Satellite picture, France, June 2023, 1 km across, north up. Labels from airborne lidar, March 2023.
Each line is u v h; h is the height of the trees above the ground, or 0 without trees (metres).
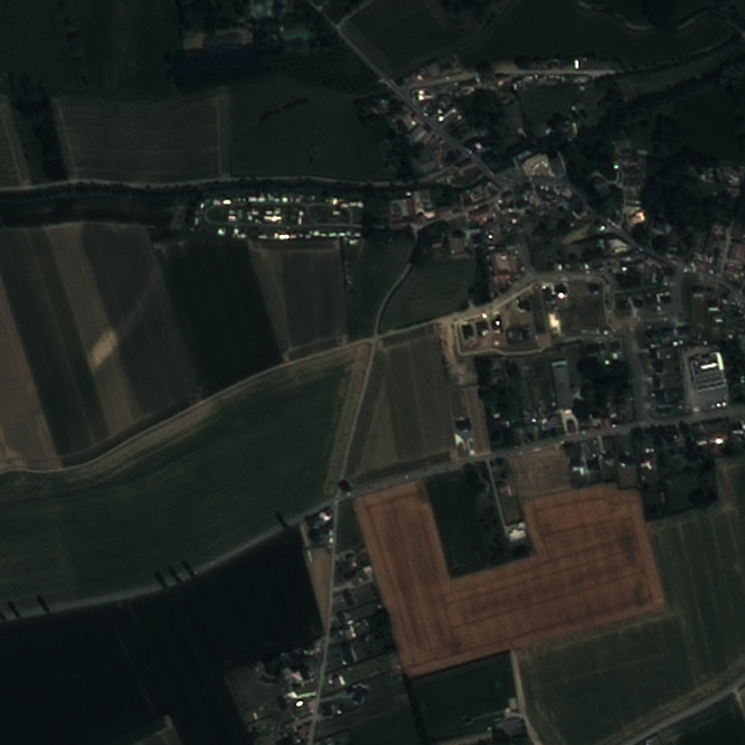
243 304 0
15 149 0
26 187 0
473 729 0
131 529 0
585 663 0
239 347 0
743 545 0
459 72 0
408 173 9
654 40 0
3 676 0
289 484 0
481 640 0
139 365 0
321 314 0
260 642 0
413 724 0
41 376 0
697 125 0
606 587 0
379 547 0
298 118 0
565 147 23
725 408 0
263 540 0
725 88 0
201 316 0
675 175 14
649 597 0
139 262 0
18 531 0
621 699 0
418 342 0
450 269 0
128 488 0
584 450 0
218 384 0
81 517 0
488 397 16
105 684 0
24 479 0
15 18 0
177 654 0
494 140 27
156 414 0
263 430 0
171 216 0
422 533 0
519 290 0
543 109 0
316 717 0
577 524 0
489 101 11
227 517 0
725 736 0
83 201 0
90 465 0
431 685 0
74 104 0
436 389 0
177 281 0
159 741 0
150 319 0
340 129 0
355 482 0
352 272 0
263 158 0
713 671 0
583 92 0
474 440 0
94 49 0
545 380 0
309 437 0
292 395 0
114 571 0
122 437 0
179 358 0
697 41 0
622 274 12
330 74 0
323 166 0
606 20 0
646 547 0
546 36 0
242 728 0
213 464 0
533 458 0
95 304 0
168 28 0
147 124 0
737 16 8
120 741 0
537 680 0
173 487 0
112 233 0
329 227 0
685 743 0
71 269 0
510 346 0
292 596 0
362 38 0
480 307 0
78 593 0
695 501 17
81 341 0
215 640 0
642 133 0
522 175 0
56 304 0
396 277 0
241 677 0
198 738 0
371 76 0
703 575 0
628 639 0
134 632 0
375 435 0
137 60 0
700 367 0
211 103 0
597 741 0
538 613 0
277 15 15
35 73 0
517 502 0
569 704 0
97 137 0
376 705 0
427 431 0
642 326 0
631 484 0
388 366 0
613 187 8
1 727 0
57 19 0
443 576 0
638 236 20
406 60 0
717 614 0
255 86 0
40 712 0
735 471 0
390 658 0
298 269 0
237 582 0
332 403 0
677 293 0
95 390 0
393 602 0
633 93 0
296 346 0
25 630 0
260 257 0
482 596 0
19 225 0
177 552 0
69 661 0
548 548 0
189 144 0
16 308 0
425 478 0
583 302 0
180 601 0
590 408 6
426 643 0
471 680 0
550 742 0
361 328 0
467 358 0
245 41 0
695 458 15
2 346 0
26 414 0
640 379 0
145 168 0
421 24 0
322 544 0
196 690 0
